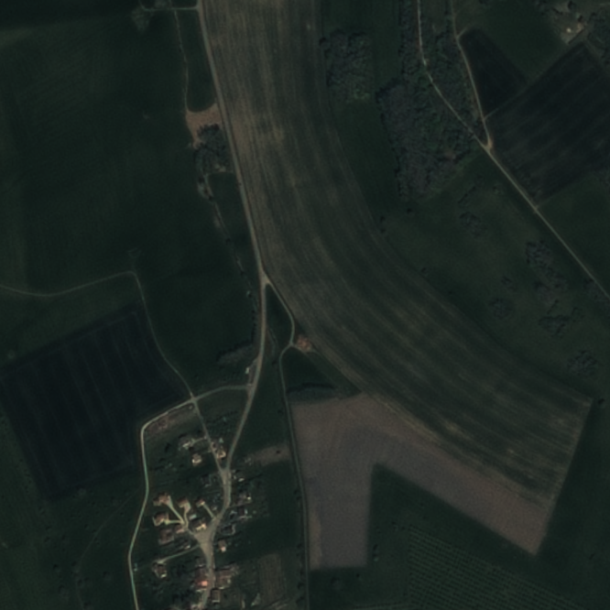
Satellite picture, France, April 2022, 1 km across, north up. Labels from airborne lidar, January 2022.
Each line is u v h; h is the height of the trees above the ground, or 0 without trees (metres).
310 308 0
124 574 0
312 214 0
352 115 0
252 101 0
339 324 0
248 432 0
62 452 0
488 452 0
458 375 0
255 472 0
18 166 0
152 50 0
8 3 0
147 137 0
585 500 0
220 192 0
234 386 0
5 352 0
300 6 0
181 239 0
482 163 0
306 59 0
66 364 0
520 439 0
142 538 0
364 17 0
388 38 0
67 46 0
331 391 16
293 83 0
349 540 0
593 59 0
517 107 0
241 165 0
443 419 0
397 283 0
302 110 0
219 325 0
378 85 0
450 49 19
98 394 0
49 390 0
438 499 0
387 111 18
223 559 0
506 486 0
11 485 0
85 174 0
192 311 0
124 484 0
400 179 17
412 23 13
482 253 0
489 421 0
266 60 0
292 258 0
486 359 0
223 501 0
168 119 0
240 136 0
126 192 0
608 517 0
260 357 0
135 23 0
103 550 0
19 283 0
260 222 0
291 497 0
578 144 0
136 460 0
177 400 0
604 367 0
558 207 0
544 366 0
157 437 0
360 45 13
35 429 0
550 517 0
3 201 0
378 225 0
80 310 0
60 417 0
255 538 0
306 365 0
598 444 0
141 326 0
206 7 0
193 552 0
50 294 0
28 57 0
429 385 0
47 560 0
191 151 0
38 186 0
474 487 0
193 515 0
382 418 0
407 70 14
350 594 0
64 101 0
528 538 0
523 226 0
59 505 0
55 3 0
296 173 0
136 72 0
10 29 0
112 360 0
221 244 0
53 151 0
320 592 0
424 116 19
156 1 0
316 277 0
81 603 0
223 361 17
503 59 0
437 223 0
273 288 0
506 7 0
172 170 0
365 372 0
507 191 0
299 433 0
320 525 0
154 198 0
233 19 0
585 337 0
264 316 0
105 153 0
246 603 0
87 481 0
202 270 0
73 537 0
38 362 0
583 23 14
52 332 0
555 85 0
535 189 0
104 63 0
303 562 0
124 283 0
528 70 0
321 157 0
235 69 0
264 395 0
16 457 0
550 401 0
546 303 17
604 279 0
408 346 0
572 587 0
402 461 0
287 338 0
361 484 0
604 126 0
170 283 0
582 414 0
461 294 0
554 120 0
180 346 0
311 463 0
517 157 0
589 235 0
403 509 0
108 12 0
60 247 0
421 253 0
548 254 15
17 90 0
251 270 0
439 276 0
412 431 0
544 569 0
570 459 0
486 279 0
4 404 0
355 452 0
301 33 0
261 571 0
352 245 0
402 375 0
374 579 0
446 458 0
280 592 0
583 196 0
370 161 0
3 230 0
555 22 0
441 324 0
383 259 0
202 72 0
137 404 0
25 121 0
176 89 0
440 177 25
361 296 0
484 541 0
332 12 0
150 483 0
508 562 0
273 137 0
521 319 0
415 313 0
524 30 0
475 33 0
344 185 0
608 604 0
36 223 0
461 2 0
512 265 0
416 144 23
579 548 0
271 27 0
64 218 0
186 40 0
